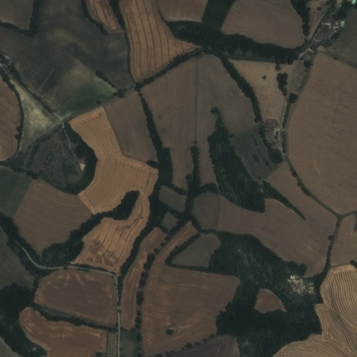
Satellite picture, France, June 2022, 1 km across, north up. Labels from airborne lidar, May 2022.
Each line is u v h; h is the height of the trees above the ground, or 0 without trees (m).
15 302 22
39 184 0
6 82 14
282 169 0
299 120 0
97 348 0
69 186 8
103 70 0
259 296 0
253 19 0
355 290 0
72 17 0
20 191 0
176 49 0
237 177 13
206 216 0
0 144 0
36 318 0
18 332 6
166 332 8
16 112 0
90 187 0
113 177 0
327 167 0
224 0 7
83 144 8
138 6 0
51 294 0
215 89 0
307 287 0
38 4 18
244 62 0
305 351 0
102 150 0
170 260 10
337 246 0
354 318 0
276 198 15
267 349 16
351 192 0
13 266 0
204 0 0
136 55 0
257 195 9
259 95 0
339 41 0
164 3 0
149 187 0
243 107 0
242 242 7
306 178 0
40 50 0
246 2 0
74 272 0
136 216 0
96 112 0
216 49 13
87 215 0
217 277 0
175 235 0
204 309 0
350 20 0
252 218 0
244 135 0
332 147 0
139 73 0
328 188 0
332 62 0
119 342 0
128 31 0
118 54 0
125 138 0
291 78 0
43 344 0
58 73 0
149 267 26
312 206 0
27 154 6
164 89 0
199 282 0
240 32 0
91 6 0
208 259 0
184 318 0
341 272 0
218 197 0
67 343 0
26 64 0
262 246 11
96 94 0
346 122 0
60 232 0
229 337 0
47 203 0
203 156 0
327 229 0
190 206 20
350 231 0
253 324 22
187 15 0
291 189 0
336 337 0
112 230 0
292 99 14
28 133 0
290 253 0
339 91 0
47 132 0
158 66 0
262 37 0
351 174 0
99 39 0
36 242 0
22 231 0
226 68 12
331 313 0
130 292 0
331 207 0
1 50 0
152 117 10
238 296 8
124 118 0
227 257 6
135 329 13
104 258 0
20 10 0
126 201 18
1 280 0
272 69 0
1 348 0
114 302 0
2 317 8
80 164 0
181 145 0
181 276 0
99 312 0
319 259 0
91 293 0
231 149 9
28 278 0
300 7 19
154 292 0
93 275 0
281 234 0
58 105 0
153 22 0
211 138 14
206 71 0
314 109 0
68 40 0
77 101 0
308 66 17
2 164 14
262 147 0
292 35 0
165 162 10
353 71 0
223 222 0
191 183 14
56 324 0
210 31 15
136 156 0
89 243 0
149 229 11
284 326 17
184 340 0
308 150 0
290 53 14
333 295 0
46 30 0
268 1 0
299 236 0
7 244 12
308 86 0
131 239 0
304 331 15
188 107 0
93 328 12
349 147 0
